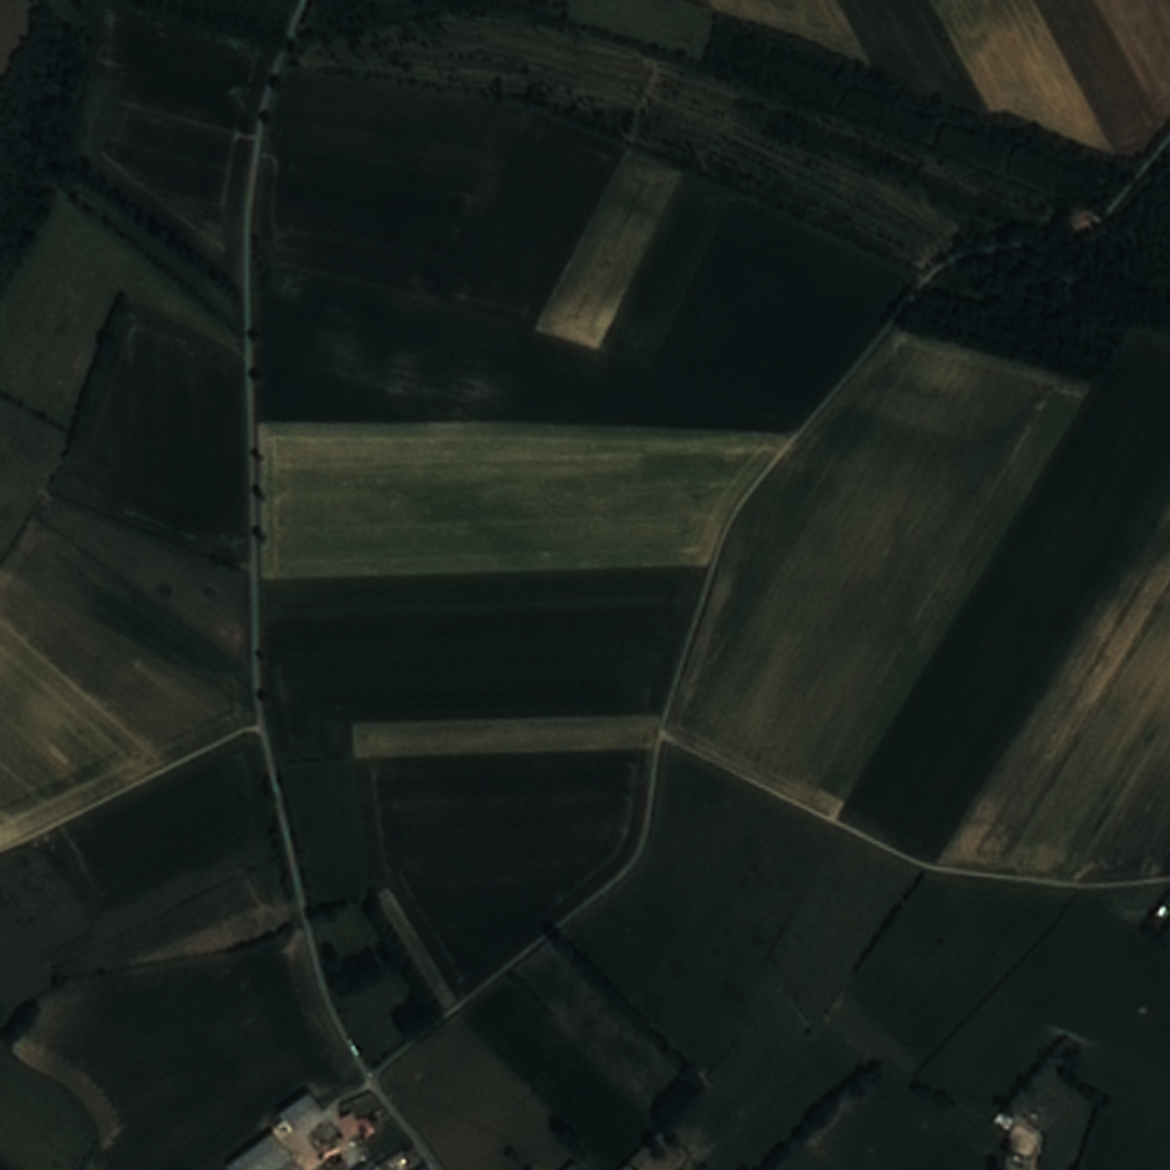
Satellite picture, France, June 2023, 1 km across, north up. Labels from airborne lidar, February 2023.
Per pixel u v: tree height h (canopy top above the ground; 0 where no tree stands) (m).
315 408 0
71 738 0
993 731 0
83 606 0
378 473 0
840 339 0
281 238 0
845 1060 0
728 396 0
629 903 0
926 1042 0
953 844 0
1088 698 0
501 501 0
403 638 0
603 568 0
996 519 0
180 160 0
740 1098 0
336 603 0
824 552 0
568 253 0
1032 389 0
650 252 0
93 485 0
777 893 0
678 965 0
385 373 0
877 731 0
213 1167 0
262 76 0
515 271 0
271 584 0
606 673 0
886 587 0
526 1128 0
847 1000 0
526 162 0
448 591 0
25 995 0
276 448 0
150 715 0
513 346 0
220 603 0
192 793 0
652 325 0
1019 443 0
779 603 0
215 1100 0
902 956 0
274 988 0
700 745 0
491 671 0
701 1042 0
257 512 0
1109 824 0
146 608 0
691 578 0
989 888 0
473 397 0
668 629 0
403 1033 20
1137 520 0
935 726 0
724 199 0
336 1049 0
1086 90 0
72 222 0
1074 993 0
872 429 0
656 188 0
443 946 0
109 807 0
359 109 0
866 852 0
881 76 10
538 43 0
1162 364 0
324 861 0
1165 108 0
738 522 0
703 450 0
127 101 0
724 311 0
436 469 0
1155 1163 0
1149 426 0
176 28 0
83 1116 0
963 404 0
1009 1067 0
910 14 0
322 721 0
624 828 0
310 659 0
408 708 0
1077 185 9
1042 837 0
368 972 28
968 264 13
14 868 0
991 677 0
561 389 0
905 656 0
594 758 0
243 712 0
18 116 24
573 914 0
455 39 0
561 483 0
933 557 0
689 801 0
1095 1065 0
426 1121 0
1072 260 16
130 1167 0
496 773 0
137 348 0
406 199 0
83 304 0
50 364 0
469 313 0
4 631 0
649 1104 0
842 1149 0
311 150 0
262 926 0
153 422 0
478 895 0
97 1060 0
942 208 0
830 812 0
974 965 0
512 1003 0
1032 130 10
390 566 0
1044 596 0
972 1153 0
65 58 12
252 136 0
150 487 0
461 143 0
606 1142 0
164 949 0
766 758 0
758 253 0
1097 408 0
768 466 0
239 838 0
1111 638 0
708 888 0
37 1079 0
